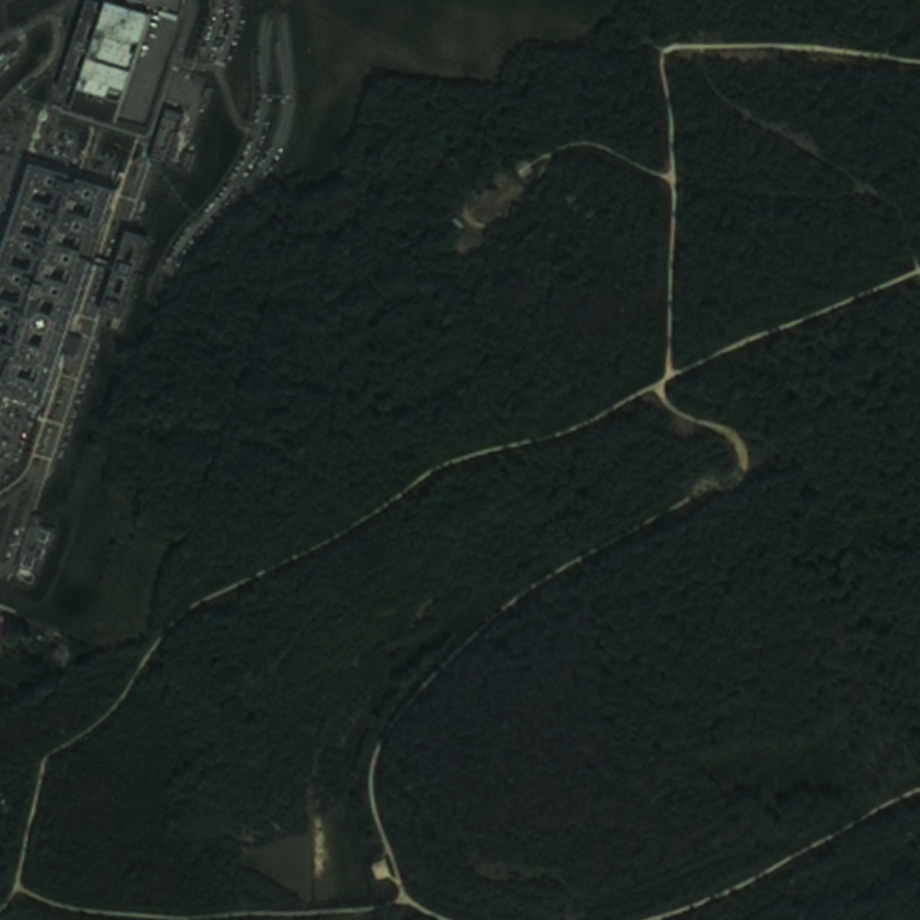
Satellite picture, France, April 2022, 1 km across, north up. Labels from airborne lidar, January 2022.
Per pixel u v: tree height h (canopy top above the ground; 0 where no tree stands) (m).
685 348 21
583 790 26
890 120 22
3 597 0
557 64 16
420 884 12
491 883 11
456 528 24
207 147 0
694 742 25
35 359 0
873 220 22
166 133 0
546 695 33
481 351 18
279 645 17
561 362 21
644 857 17
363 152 14
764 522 23
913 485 25
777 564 24
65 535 0
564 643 35
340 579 25
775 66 15
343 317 18
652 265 15
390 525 24
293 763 8
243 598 18
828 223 22
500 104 15
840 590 22
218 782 10
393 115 19
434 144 18
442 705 29
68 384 0
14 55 0
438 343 8
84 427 0
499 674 31
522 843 17
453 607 11
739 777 0
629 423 22
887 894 19
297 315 11
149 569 0
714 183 15
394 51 0
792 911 18
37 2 0
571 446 18
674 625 26
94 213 0
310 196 21
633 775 24
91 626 0
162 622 12
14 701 10
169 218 0
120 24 0
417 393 14
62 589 0
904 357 20
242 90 0
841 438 24
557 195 14
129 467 7
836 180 12
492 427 24
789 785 0
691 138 18
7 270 0
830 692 25
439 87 19
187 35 0
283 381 20
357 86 0
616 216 10
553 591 24
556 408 21
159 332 16
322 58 0
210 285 20
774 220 20
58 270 0
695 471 11
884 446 17
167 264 0
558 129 16
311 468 19
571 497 18
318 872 0
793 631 25
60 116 0
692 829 25
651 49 9
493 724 25
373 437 24
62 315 0
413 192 17
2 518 0
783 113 14
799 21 16
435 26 0
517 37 0
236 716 22
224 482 24
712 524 23
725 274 20
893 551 22
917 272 0
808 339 22
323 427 25
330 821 0
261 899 9
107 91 0
